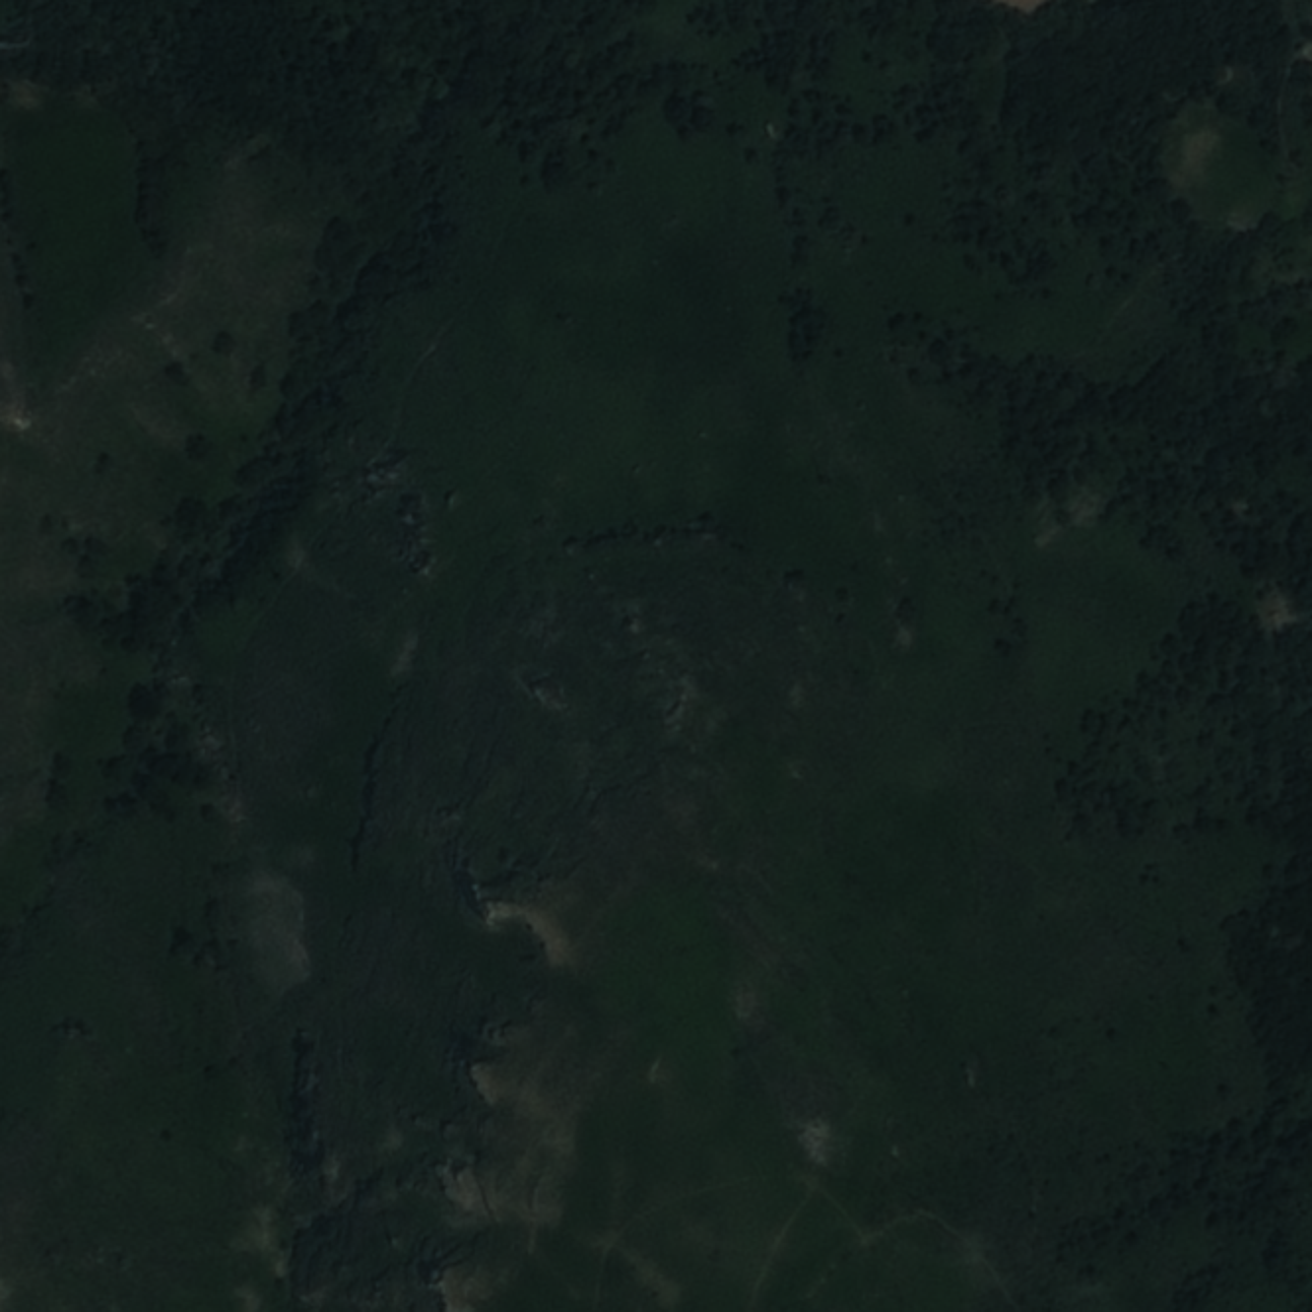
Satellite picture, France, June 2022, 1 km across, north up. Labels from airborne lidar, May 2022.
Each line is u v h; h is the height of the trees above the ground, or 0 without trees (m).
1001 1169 6
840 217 8
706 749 0
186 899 0
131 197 0
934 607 0
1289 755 11
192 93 22
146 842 0
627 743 0
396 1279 0
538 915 0
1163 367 13
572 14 10
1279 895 9
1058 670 0
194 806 0
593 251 0
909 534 0
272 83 24
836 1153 0
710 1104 0
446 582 0
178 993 0
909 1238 0
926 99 6
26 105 0
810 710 0
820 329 10
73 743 0
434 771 0
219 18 15
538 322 0
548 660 0
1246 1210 9
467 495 0
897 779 0
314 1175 16
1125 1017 0
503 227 0
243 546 9
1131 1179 6
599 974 0
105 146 0
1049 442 15
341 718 0
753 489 0
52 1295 0
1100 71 19
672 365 0
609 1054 0
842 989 0
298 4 15
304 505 10
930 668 0
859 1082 0
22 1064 0
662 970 0
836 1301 0
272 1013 0
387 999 0
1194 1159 20
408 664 0
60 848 10
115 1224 0
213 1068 9
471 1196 0
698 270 0
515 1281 0
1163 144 11
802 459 0
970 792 0
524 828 0
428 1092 0
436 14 12
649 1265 0
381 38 17
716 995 0
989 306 0
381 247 8
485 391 0
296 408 10
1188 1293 6
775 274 0
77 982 0
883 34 7
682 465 0
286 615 0
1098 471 9
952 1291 0
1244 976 11
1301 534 20
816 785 0
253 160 7
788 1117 0
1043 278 9
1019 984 0
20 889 0
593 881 0
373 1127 0
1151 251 9
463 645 0
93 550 20
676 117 15
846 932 0
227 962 24
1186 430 13
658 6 6
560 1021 0
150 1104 0
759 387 0
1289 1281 6
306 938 0
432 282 8
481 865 0
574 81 14
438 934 0
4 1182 0
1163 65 16
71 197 0
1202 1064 0
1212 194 0
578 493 0
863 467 0
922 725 0
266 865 0
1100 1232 11
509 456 0
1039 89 17
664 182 0
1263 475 8
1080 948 0
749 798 0
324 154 18
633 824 0
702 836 0
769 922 0
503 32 29
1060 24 14
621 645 0
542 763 0
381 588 0
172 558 11
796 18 12
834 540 0
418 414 0
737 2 11
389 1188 0
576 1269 0
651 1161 0
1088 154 15
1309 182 0
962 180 7
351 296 17
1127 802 8
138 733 15
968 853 0
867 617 0
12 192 9
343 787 0
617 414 0
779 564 0
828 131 9
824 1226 0
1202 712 11
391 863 0
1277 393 17
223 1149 0
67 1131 0
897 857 0
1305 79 9
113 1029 0
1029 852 0
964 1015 0
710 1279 0
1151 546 11
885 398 0
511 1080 0
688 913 0
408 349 0
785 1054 0
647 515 0
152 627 27
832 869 0
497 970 0
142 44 7
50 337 0
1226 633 13
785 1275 0
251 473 16
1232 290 13
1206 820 12
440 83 28
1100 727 8
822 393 0
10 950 11
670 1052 0
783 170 7
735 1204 0
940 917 0
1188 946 15
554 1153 0
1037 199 13
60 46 13
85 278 0
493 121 10
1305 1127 15
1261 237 14
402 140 21
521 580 0
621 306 0
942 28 12
